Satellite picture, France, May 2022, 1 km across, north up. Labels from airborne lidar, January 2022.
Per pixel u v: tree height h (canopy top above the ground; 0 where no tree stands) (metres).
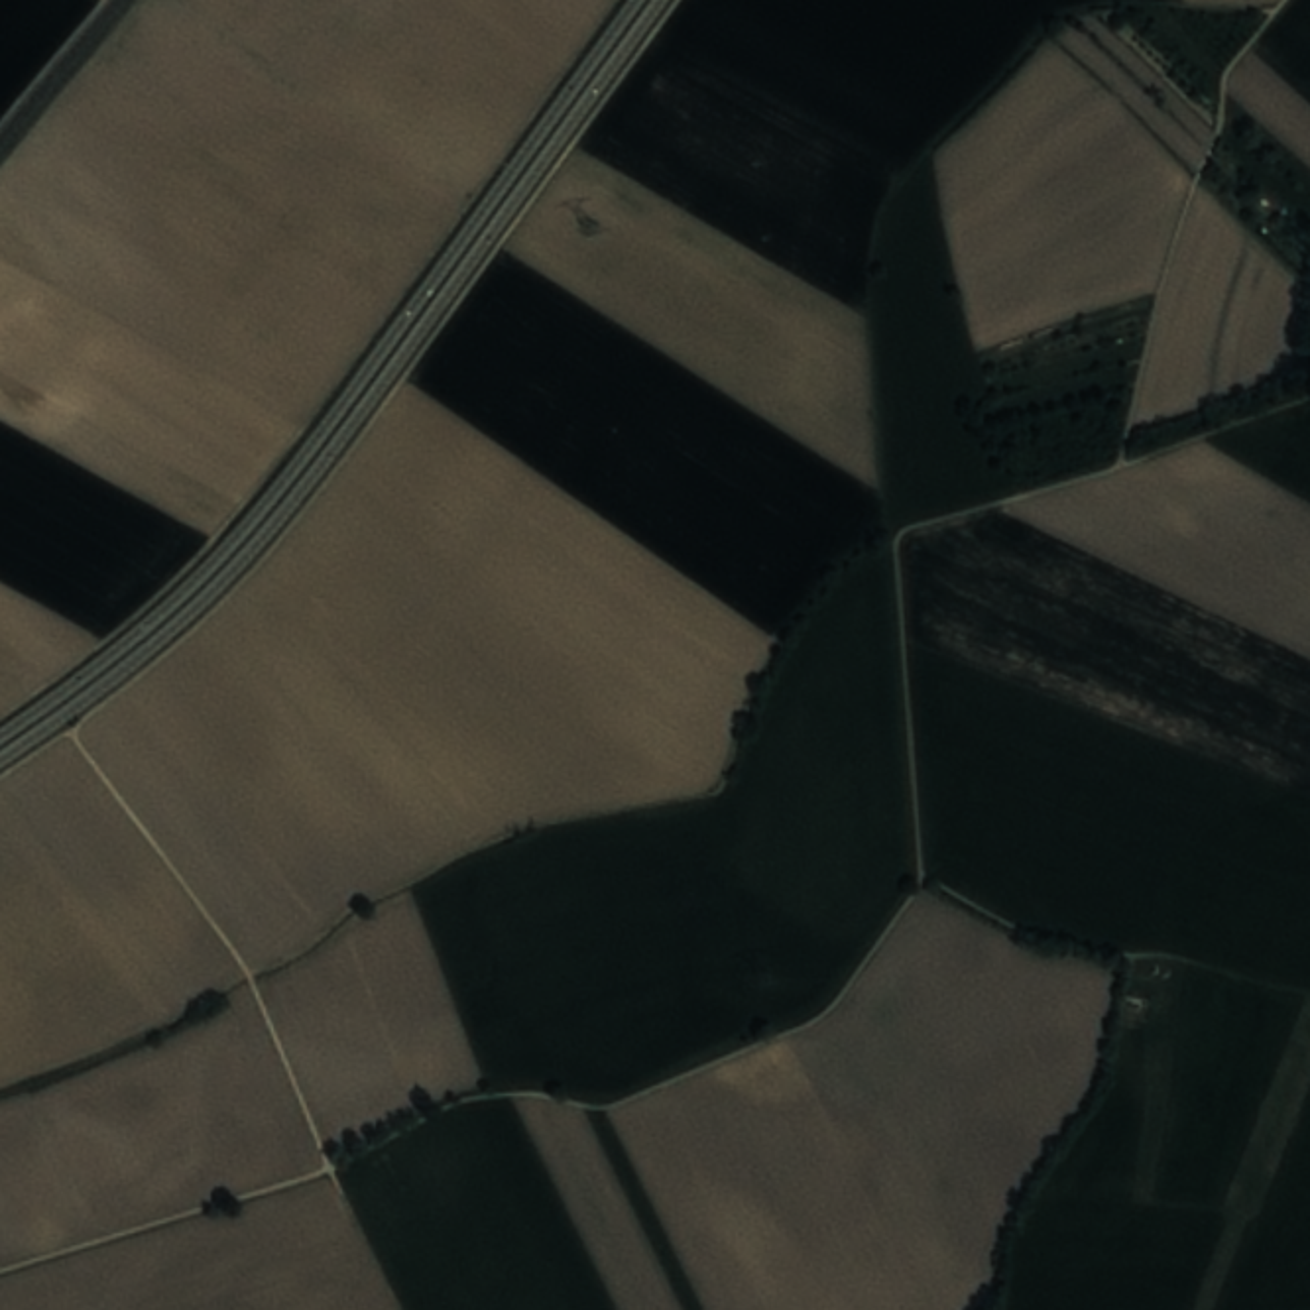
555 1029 0
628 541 0
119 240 0
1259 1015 0
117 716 0
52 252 0
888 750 0
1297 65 0
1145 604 0
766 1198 0
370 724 0
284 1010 0
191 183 0
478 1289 0
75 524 0
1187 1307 0
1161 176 0
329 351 0
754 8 0
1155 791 0
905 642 0
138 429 0
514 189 0
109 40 0
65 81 0
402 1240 0
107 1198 0
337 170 0
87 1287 0
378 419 0
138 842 0
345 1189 0
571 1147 0
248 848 0
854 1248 0
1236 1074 0
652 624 0
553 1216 0
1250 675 0
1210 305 0
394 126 0
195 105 0
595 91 0
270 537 0
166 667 0
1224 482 0
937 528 0
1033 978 0
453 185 0
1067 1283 0
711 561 0
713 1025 0
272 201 0
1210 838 0
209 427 0
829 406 0
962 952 0
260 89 0
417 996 0
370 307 0
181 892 0
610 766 0
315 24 0
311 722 0
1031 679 0
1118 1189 0
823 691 0
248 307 0
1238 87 0
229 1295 0
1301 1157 0
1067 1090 0
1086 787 0
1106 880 0
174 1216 0
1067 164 0
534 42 0
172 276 0
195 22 0
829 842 0
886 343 0
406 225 0
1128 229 0
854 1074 0
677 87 0
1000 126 0
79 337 0
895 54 0
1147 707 0
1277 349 0
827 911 0
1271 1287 0
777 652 10
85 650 0
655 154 0
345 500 0
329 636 0
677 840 0
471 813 0
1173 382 0
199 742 0
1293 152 0
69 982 0
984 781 0
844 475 0
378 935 0
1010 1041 0
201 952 0
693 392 0
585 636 0
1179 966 0
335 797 0
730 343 0
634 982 0
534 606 0
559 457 0
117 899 0
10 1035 0
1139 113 0
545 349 0
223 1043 0
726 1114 0
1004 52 0
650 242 0
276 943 0
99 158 0
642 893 0
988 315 0
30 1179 0
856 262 0
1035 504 0
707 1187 0
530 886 0
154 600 0
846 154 0
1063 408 6
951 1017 0
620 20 0
